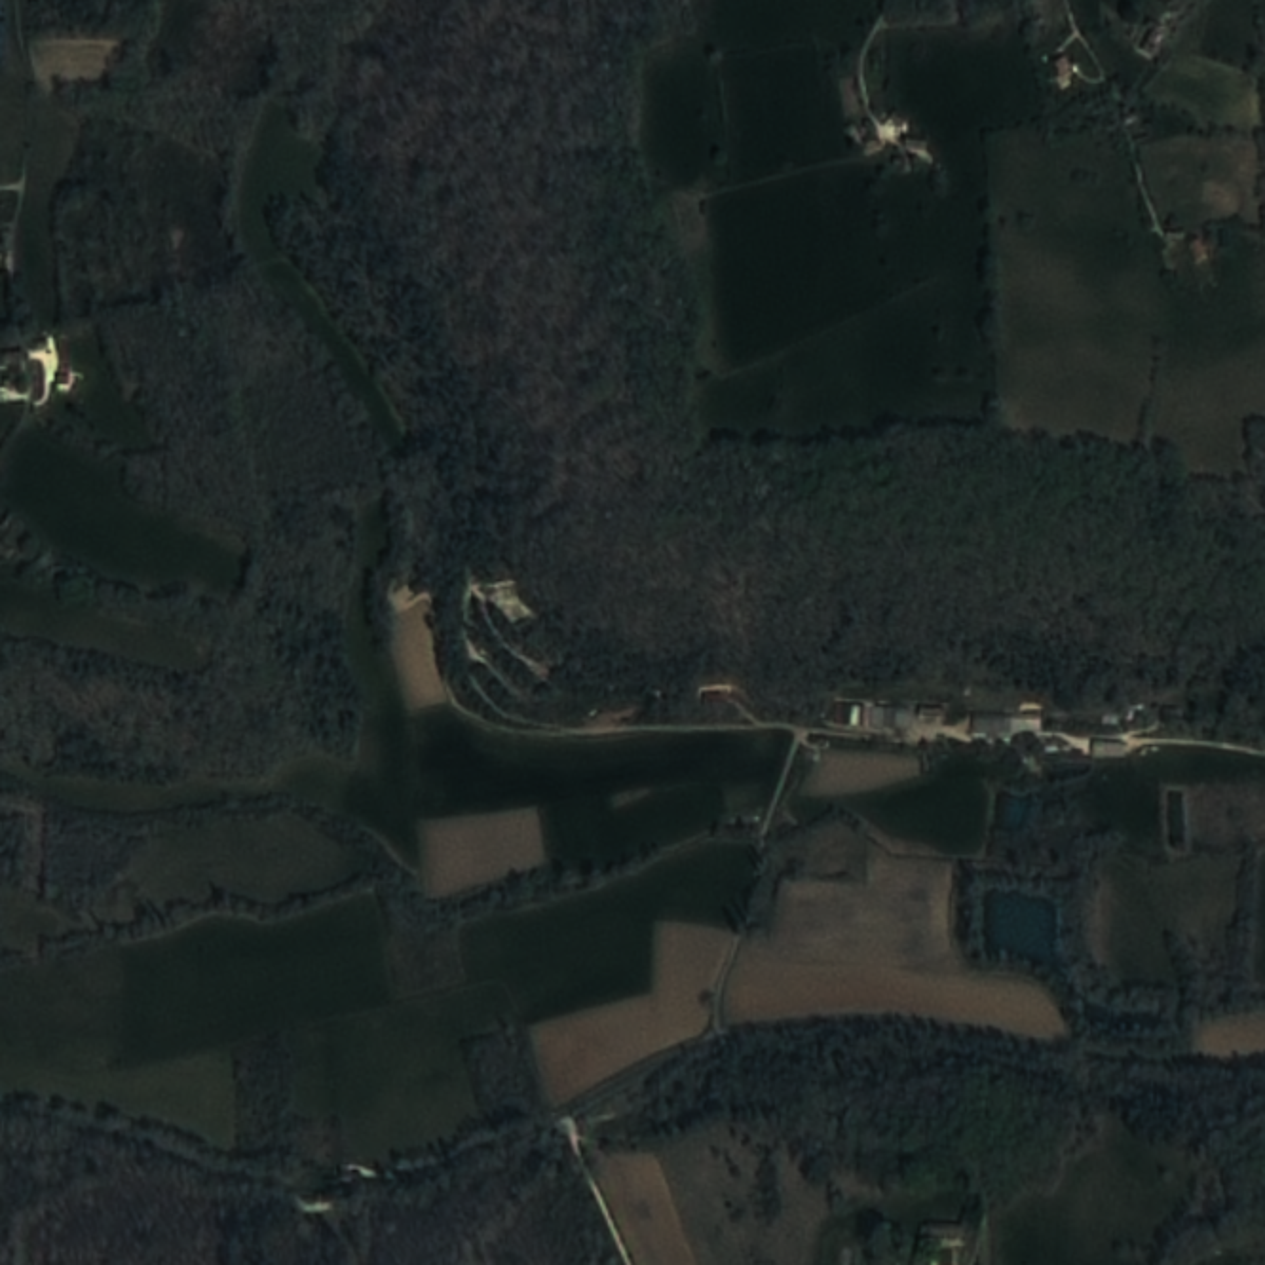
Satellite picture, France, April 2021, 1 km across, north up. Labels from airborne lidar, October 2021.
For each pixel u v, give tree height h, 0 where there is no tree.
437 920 7
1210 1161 20
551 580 14
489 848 0
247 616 13
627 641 16
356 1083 0
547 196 22
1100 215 0
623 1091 0
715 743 0
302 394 11
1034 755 16
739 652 20
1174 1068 10
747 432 0
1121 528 24
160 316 20
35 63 0
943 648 16
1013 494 25
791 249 0
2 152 0
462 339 7
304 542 18
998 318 13
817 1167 14
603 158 16
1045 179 0
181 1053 0
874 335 0
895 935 0
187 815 7
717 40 0
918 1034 14
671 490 21
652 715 10
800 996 0
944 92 0
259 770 21
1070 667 7
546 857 0
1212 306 0
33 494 0
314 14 18
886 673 10
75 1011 0
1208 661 20
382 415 0
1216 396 0
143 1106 0
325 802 0
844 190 0
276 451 13
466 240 9
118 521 0
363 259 22
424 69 6
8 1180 17
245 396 15
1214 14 0
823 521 23
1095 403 0
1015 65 0
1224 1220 24
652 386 27
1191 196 0
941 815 0
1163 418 0
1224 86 0
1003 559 20
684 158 0
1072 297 0
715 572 25
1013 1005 0
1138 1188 0
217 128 19
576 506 21
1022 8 14
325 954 0
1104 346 0
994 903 0
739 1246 0
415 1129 0
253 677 19
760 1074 14
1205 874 0
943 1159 19
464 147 17
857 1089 18
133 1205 10
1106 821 0
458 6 20
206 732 18
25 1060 0
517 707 6
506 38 18
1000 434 17
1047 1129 18
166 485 14
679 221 0
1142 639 14
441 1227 14
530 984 0
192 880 0
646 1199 0
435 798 0
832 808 7
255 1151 8
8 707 20
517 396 16
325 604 20
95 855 7
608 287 21
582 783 0
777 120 0
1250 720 15
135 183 7
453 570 20
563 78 20
